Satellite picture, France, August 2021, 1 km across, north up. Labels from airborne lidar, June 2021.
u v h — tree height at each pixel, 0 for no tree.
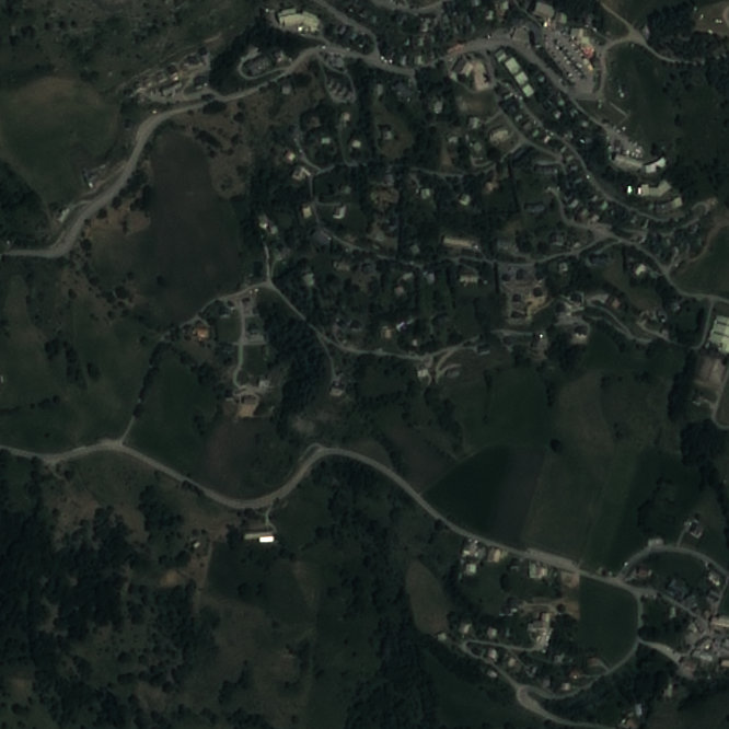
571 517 0
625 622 0
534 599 0
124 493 0
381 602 12
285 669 0
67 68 0
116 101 0
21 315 0
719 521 0
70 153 0
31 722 0
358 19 7
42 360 0
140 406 10
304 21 0
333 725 0
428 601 0
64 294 0
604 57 0
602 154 18
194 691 0
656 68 0
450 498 0
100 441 0
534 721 0
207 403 0
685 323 0
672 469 0
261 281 0
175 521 10
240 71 0
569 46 0
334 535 13
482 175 8
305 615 0
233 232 0
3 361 0
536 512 0
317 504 0
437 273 15
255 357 0
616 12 0
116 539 15
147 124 0
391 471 0
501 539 0
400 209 12
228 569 0
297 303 21
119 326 0
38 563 17
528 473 0
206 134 9
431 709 8
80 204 0
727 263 0
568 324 0
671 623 6
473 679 15
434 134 11
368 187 11
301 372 14
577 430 0
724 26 0
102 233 0
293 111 0
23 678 0
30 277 7
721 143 0
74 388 0
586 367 0
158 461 0
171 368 0
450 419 5
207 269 0
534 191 0
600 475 0
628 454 0
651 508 9
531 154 13
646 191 0
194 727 0
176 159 0
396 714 13
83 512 0
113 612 17
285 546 8
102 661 0
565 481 0
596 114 0
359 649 0
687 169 8
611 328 8
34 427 0
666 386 0
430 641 12
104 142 0
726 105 10
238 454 0
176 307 0
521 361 11
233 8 0
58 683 16
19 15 12
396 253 6
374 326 7
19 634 0
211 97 7
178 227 0
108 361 0
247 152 0
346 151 0
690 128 0
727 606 0
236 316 0
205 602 0
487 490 0
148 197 11
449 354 0
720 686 9
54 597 17
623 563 0
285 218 0
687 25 17
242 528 7
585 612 0
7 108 0
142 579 0
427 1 0
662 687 10
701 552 0
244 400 0
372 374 0
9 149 0
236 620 0
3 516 17
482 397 0
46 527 13
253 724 8
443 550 0
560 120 10
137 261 0
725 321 0
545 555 0
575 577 0
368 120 10
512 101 8
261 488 0
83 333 0
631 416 0
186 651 13
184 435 0
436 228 6
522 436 0
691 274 0
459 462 0
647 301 0
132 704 9
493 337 8
